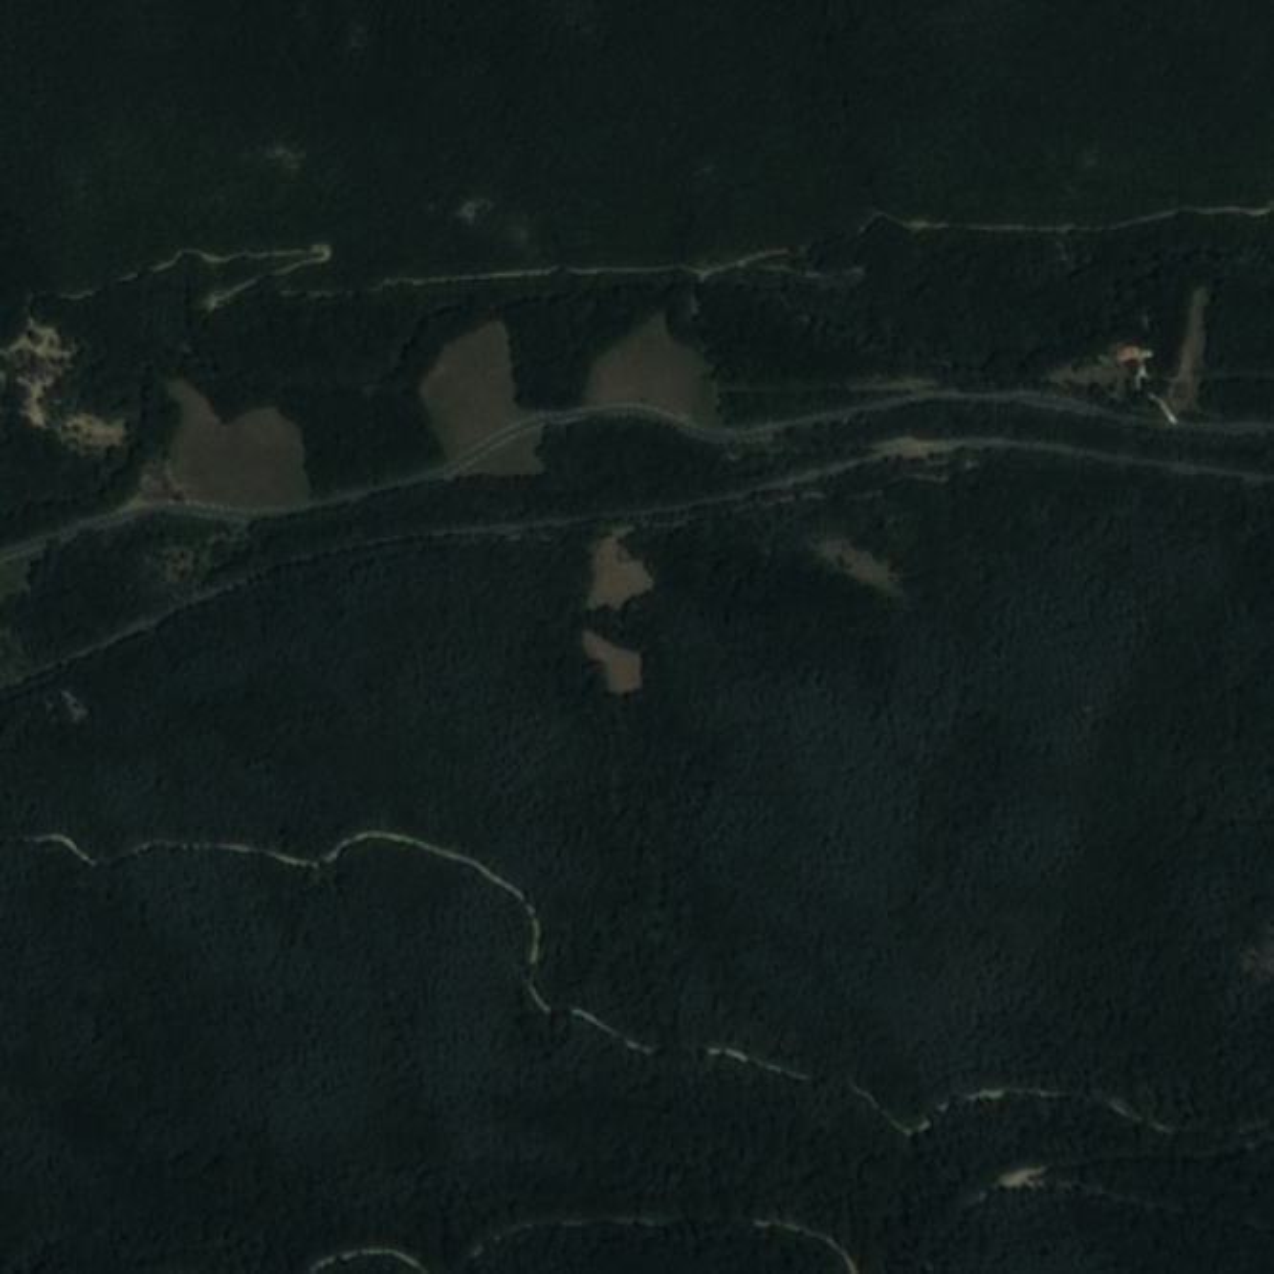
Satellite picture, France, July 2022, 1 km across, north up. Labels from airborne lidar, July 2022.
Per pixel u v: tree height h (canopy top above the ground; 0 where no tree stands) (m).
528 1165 18
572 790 13
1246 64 9
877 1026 18
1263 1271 17
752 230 7
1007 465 9
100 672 18
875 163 10
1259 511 19
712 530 7
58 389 17
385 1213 12
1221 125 7
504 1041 15
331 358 21
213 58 14
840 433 11
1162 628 10
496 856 12
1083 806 18
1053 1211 15
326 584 17
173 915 18
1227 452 11
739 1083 16
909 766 15
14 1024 18
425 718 7
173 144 8
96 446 12
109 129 6
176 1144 21
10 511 11
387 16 17
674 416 0
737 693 12
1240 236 21
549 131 11
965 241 7
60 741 14
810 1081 10
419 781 8
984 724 18
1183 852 21
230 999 15
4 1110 17
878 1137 22
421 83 14
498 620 13
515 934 16
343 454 11
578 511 9
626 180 7
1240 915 17
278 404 7
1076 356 9
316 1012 16
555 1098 16
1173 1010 22
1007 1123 16
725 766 11
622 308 17
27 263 9
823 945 18
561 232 13
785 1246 12
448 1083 14
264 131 6
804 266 13
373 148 10
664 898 12
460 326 10
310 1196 8
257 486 0
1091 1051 16
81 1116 25
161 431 9
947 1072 11
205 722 13
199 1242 22
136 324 15
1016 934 12
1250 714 17
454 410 0
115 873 15
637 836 23
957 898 12
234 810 15
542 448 10
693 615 14
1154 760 9
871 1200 30
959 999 12
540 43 17
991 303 16
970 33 6
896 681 16
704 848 12
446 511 13
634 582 0
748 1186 16
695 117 9
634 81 8
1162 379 8
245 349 22
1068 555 14
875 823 16
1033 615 16
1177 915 10
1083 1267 14
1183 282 16
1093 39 8
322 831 15
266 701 17
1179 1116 11
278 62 10
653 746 16
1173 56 14
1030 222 9
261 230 11
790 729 12
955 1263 17
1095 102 9
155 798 14
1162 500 9
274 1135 15
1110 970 21
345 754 12
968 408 15
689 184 7
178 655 14
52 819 12
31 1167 21
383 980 17
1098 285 25
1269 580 21
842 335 24
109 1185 19
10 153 11
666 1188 19
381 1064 18
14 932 14
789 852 10
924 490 8
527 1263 11
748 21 21
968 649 17
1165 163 10
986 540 14
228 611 16
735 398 14
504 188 8
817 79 22
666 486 17
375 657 13
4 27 13
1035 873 14
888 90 13
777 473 9
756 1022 22
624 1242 20
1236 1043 14
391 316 13
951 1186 13
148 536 8
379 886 8
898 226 10
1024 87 9
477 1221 9
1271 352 12
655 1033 16
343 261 12
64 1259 20
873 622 15
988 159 9
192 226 12
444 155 6
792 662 15
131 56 9
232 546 6
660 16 11
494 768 14
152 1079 17
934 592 8
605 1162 16
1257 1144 8
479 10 20
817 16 18
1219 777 15
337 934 17
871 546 6
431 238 11
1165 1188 22
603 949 20
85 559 7
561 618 19
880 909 13
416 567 18
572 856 13
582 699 18
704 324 11
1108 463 8
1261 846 18
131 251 10
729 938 21
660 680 12
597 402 0
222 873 12
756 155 9
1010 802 14
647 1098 23
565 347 15
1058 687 12
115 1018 16
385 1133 18
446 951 13
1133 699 17
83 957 18
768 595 19
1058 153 6
